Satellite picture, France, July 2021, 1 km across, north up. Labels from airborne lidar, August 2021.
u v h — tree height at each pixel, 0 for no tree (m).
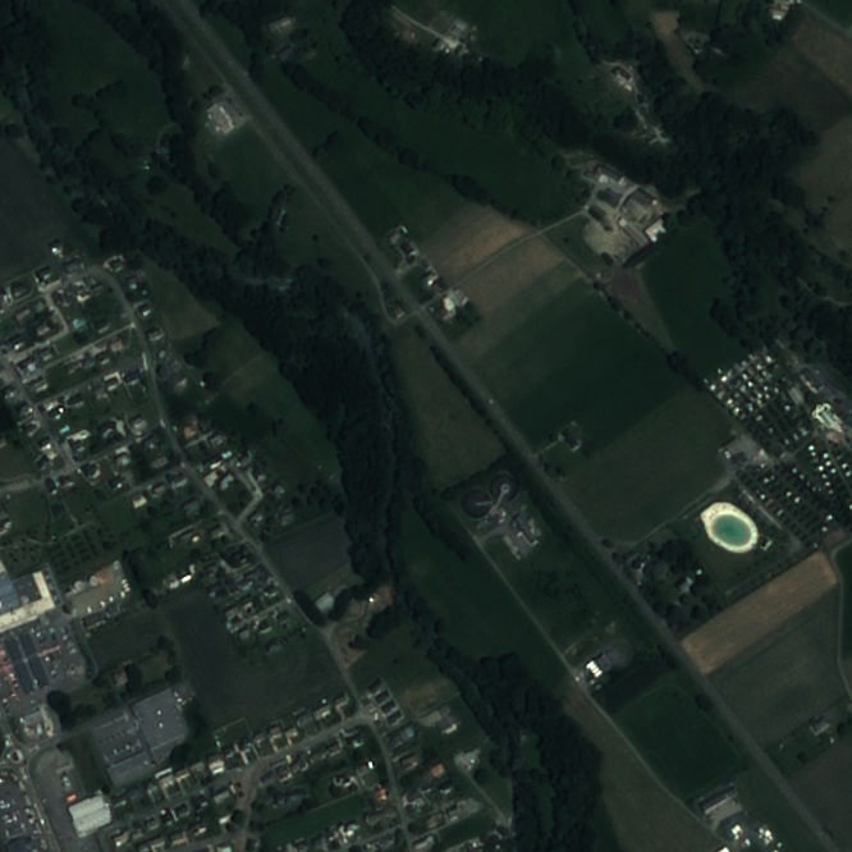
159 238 17
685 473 0
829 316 24
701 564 7
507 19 0
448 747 0
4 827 0
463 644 0
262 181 0
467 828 0
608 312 0
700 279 0
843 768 0
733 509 0
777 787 0
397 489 14
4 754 0
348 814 0
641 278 0
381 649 0
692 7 0
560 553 0
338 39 0
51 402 0
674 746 0
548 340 0
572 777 29
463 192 21
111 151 0
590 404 0
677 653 0
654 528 0
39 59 24
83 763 0
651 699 0
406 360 0
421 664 0
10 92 13
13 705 0
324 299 19
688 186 23
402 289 0
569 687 0
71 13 0
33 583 0
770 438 7
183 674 6
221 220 17
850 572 0
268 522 10
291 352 20
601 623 0
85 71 0
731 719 0
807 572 0
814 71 0
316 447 0
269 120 0
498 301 0
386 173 0
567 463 0
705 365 0
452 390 0
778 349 14
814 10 0
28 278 0
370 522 20
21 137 23
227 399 0
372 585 16
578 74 0
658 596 15
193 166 26
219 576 10
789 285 21
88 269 0
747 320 24
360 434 28
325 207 0
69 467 0
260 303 17
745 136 19
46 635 0
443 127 0
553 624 0
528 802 19
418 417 0
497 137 0
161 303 0
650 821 0
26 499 0
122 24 24
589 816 19
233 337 0
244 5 11
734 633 0
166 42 23
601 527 0
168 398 6
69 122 0
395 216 0
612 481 0
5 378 0
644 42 18
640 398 0
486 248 0
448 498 10
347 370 18
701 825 0
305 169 0
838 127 0
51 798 0
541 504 12
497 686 29
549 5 0
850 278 11
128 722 0
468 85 22
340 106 21
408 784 11
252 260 20
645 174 7
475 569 0
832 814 0
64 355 0
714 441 0
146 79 0
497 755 14
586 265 0
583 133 7
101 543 6
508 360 0
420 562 0
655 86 16
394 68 26
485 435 0
